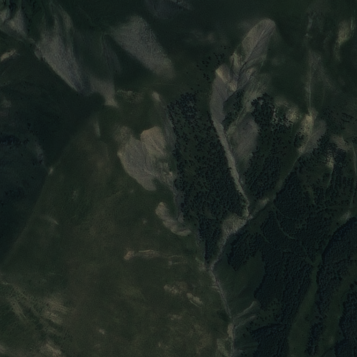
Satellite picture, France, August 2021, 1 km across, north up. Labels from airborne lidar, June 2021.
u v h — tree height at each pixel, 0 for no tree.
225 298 0
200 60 0
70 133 0
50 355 0
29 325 0
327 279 17
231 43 0
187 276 0
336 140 0
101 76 0
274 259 18
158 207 0
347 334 19
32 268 0
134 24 0
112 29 0
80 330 0
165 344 0
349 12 0
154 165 0
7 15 0
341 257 28
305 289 16
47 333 0
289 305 13
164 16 0
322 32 0
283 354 16
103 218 0
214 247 22
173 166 0
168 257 0
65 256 0
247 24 0
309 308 0
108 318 0
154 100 0
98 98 0
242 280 0
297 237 15
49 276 0
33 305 0
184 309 0
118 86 0
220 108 0
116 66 0
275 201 7
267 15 0
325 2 0
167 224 0
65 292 0
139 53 0
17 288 0
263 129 10
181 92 0
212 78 0
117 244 0
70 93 0
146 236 0
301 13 0
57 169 0
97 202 0
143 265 0
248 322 0
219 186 13
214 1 0
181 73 0
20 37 0
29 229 0
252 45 0
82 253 0
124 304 0
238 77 0
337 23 0
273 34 0
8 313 0
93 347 0
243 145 0
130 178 0
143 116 0
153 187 0
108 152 0
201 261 0
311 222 18
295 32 0
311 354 19
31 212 0
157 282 0
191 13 0
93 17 0
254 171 7
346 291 0
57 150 0
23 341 0
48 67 0
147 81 0
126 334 0
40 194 0
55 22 0
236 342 0
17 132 0
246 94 0
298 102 0
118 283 0
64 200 0
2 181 0
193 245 0
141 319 0
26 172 0
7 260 0
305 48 0
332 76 0
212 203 10
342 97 0
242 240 14
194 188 9
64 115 0
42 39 0
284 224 13
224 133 0
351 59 0
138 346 0
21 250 0
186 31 0
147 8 0
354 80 0
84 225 0
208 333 0
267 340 15
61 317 0
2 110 0
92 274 0
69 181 0
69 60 0
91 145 0
